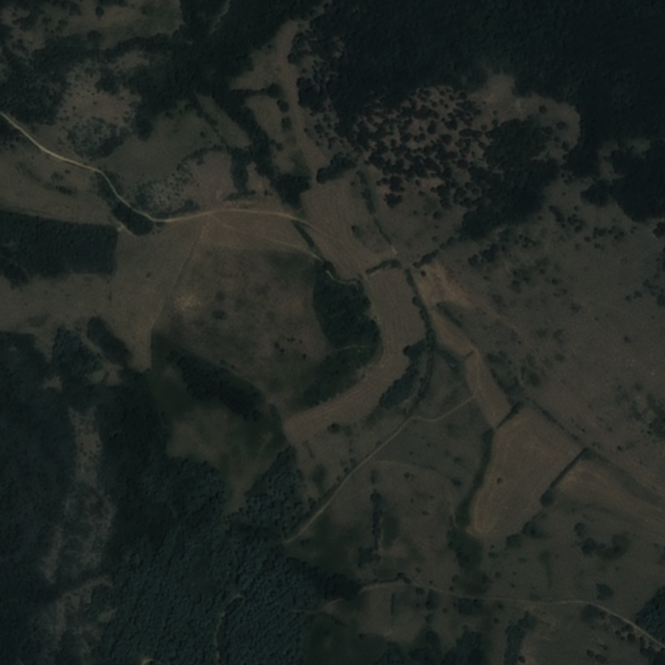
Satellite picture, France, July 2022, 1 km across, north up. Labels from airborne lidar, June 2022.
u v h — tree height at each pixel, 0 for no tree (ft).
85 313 0
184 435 0
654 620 41
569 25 55
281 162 0
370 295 0
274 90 35
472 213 23
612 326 0
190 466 34
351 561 0
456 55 23
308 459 0
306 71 28
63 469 21
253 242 0
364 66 38
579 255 0
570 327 0
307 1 55
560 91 33
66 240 19
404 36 24
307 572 30
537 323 0
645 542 0
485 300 0
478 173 33
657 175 36
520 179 40
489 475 0
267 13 46
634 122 39
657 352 0
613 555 0
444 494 0
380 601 0
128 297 0
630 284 0
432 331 22
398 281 0
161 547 47
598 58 44
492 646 0
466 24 42
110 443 48
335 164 33
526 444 0
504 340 0
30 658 32
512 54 26
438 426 0
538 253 0
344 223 0
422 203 0
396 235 0
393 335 0
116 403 30
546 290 0
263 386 0
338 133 36
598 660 25
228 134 0
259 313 0
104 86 21
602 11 32
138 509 33
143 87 27
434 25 35
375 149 26
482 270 0
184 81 40
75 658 22
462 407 0
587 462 0
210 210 0
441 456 0
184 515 31
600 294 0
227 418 0
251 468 0
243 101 27
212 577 43
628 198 27
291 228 0
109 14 0
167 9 0
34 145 0
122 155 0
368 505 0
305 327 0
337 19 47
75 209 0
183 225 0
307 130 28
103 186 20
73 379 34
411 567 0
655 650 23
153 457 65
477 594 0
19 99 22
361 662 0
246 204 0
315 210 0
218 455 0
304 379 0
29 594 38
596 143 44
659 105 46
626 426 0
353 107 41
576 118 0
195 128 0
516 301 0
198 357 0
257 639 53
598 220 0
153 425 49
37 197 0
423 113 27
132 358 0
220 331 0
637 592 0
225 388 32
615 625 0
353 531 0
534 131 27
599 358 0
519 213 23
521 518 0
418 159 33
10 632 46
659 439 0
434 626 0
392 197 36
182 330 0
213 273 0
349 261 0
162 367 0
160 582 49
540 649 0
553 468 0
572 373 0
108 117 0
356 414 0
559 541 0
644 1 39
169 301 0
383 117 35
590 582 0
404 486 0
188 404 0
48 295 0
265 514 47
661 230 22
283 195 24
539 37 26
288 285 0
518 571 0
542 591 0
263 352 0
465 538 0
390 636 0
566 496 0
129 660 44
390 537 0
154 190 0
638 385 0
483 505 0
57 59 20
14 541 19
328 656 0
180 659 71
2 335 18
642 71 45
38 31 0
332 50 45
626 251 0
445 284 0
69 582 24
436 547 0
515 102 0
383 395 27
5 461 22
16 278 29
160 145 0
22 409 29
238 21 35
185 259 0
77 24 0
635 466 0
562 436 0
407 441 0
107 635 32
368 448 0
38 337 0
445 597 0
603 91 52
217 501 48
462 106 27
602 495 0
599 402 0
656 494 0
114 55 20
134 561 47
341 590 65
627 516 0
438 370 0
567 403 0
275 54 0
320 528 0
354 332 24
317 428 0
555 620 0
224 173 0
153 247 0
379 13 33
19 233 21
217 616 55
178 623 61
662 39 49
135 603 26
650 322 0
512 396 0
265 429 0
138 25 0
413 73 20
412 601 0
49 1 23
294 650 52
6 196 0
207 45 31
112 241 20
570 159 27
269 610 58
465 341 0
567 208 0
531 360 0
